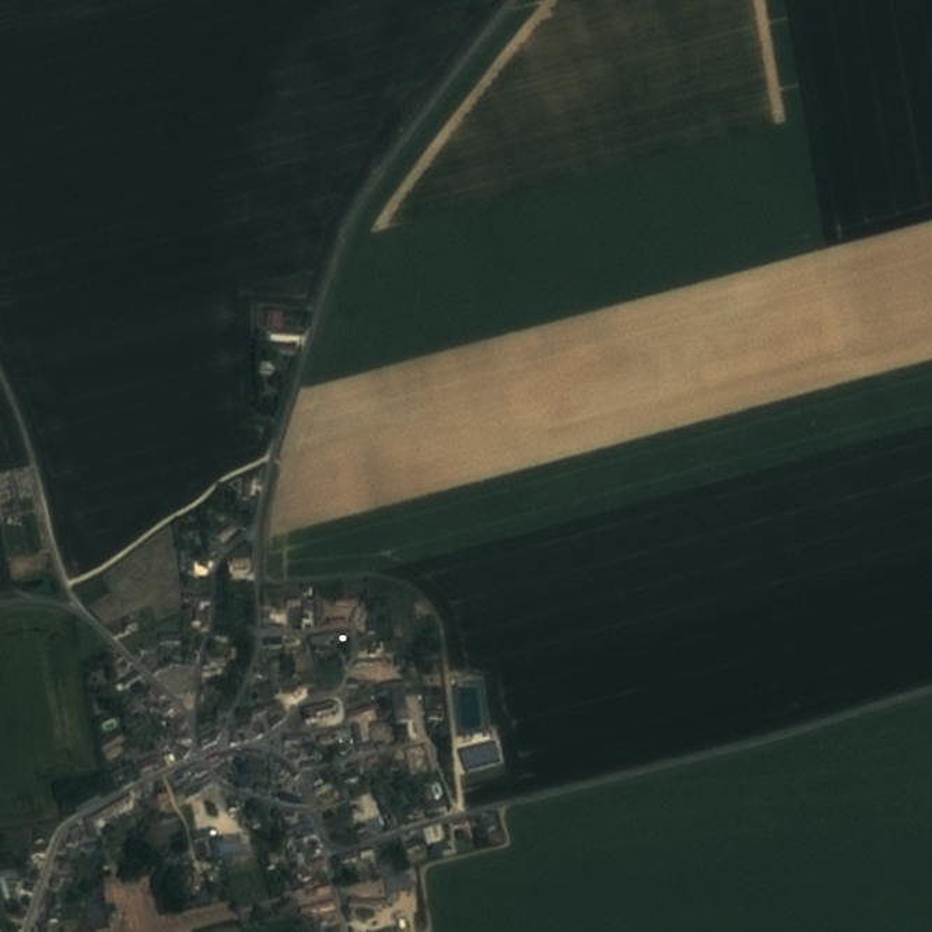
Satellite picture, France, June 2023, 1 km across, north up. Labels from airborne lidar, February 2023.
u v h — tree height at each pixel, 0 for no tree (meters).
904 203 0
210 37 0
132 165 0
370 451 0
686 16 0
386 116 0
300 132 0
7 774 0
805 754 0
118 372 0
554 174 0
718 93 0
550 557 0
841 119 0
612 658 0
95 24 0
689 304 0
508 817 0
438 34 0
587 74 0
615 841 0
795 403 0
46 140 0
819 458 0
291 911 0
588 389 0
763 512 0
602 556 0
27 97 0
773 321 0
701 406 0
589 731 0
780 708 0
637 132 0
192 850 0
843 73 0
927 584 0
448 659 0
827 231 0
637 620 0
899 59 0
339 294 0
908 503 0
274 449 0
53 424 0
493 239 0
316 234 0
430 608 0
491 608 0
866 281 0
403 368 0
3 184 0
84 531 0
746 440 0
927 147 0
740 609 0
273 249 0
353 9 0
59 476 0
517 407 0
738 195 0
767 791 0
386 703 9
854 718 0
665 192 0
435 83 0
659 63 0
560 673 0
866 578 0
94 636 0
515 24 0
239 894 0
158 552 0
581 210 0
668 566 0
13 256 0
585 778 0
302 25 0
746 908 0
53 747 0
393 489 0
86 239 0
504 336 0
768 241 0
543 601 0
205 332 0
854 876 0
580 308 0
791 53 0
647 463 0
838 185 0
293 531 0
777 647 0
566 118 0
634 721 0
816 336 0
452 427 0
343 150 0
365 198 0
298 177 0
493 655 0
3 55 0
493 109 0
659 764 0
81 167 0
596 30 0
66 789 10
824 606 0
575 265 0
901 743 0
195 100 0
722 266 0
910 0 0
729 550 0
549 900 0
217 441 0
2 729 0
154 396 0
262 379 10
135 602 0
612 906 0
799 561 0
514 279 0
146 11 0
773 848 0
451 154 0
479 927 0
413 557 0
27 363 0
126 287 0
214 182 0
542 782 0
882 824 0
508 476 0
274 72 0
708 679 0
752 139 0
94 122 0
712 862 0
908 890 0
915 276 0
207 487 0
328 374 0
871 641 0
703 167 0
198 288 0
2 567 0
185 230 0
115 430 0
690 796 0
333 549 0
